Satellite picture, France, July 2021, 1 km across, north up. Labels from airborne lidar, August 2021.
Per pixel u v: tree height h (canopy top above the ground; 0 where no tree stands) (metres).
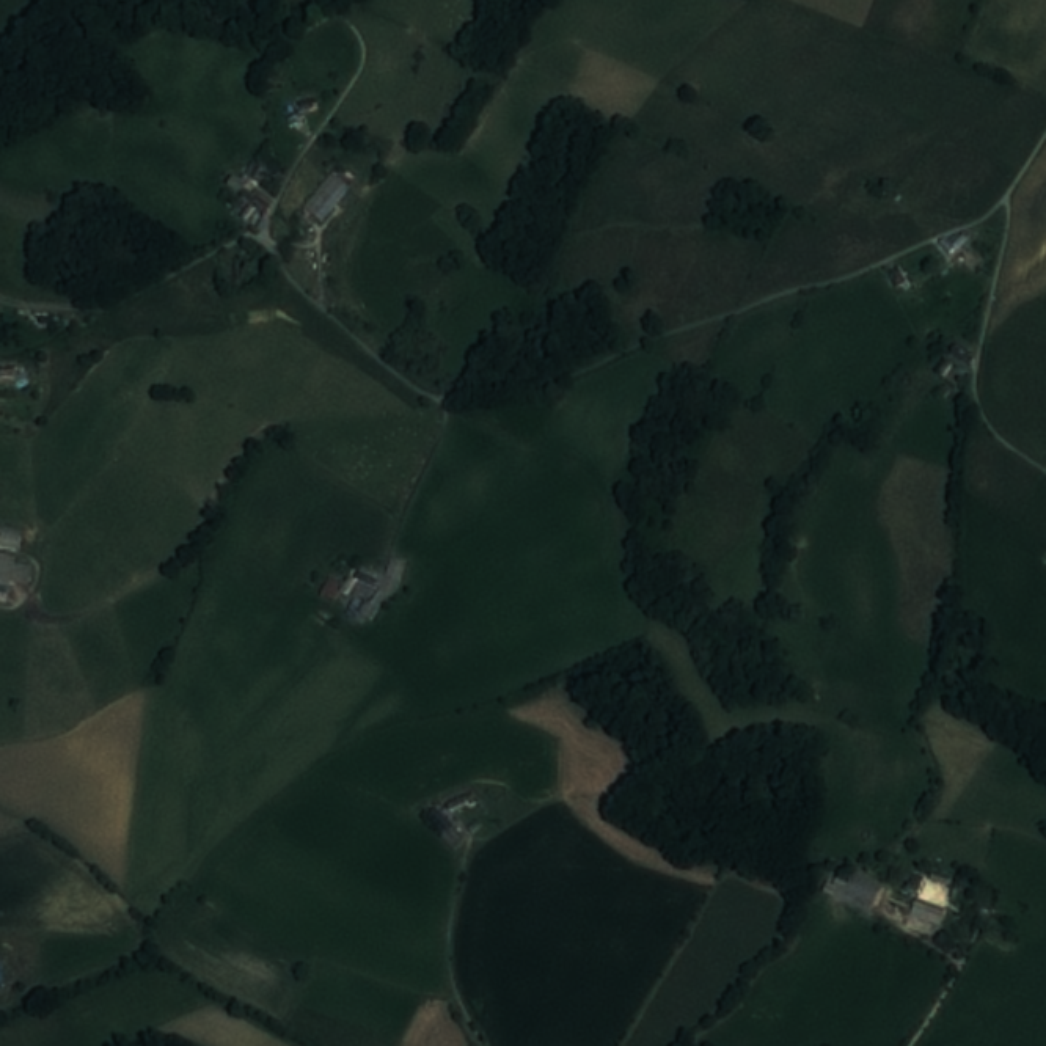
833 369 0
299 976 18
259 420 0
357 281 0
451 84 0
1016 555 0
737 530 0
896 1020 0
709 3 0
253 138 0
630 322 0
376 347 0
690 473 24
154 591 0
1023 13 0
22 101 32
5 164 0
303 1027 0
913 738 0
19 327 11
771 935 0
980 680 26
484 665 0
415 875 0
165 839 0
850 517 0
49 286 19
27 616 0
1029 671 0
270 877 0
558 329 26
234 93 0
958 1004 0
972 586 0
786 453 0
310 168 0
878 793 0
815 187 0
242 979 0
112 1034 0
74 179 0
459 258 16
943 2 0
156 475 0
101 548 0
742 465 0
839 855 0
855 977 0
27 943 0
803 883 27
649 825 36
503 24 29
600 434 0
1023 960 0
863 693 0
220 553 0
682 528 0
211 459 0
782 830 26
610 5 0
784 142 0
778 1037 0
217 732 0
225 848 0
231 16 28
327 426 0
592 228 0
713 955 0
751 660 27
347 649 0
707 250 0
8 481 0
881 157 0
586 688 31
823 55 0
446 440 0
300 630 0
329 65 0
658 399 13
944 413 0
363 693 0
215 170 0
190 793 0
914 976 0
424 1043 0
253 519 0
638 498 19
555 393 18
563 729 0
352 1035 0
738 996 22
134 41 15
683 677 0
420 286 0
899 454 0
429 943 0
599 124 14
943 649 25
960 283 0
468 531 0
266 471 0
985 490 0
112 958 0
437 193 0
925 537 0
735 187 22
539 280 15
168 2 29
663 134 0
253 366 0
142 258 29
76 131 0
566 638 0
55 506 0
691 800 30
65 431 0
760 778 38
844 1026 0
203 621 0
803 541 0
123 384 0
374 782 0
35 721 0
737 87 0
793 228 0
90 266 22
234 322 0
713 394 20
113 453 0
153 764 0
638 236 0
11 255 0
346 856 0
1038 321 0
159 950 11
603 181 0
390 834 0
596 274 0
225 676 0
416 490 0
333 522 0
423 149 21
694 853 24
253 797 0
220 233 7
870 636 0
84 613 0
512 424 0
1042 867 0
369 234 0
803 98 0
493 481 0
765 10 0
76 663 0
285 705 0
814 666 0
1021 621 0
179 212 0
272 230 0
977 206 0
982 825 0
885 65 0
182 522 0
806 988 0
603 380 0
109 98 29
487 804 0
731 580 0
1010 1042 0
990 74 17
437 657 0
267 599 0
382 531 0
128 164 0
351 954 0
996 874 0
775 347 0
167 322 0
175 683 0
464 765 0
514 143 0
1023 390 0
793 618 18
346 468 0
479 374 20
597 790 0
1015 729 28
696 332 0
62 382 0
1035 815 0
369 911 0
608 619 0
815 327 0
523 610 0
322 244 0
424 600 0
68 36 35
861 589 0
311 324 0
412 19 0
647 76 0
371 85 0
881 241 0
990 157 0
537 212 30
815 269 0
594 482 0
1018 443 0
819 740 23
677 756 34
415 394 0
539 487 0
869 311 0
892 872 8
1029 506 0
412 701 0
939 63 0
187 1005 0
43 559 0
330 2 21
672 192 0
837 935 0
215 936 0
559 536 0
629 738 33
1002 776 0
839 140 0
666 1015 0
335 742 0
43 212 0
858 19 0
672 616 22
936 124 0
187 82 0
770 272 0
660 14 0
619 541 0
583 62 0
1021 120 0
